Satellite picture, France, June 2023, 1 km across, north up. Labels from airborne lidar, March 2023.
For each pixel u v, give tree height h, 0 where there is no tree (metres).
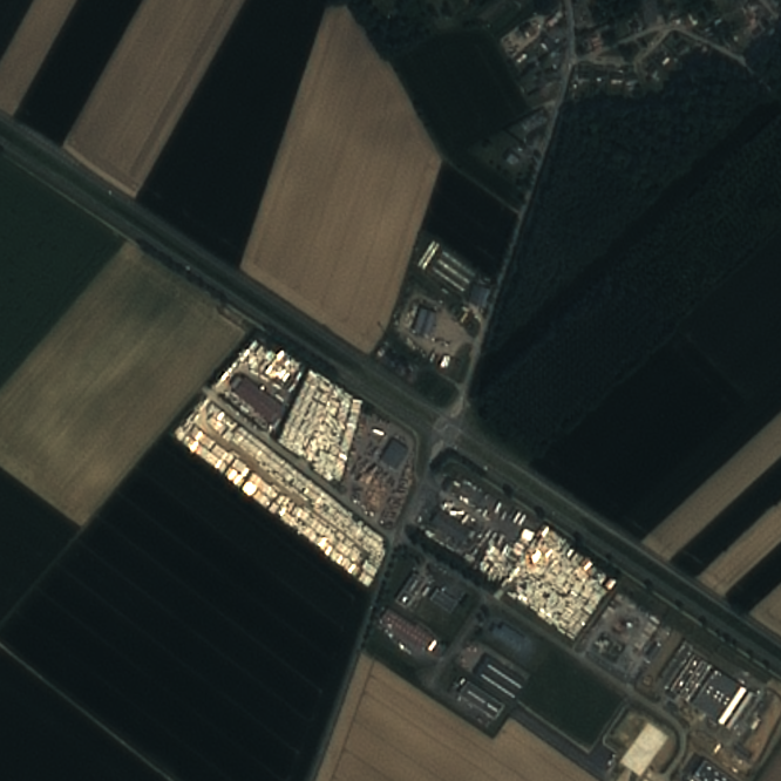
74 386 0
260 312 0
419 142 0
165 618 0
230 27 0
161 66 0
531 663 0
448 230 0
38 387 0
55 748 0
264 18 0
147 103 0
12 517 0
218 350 0
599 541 0
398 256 0
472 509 0
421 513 0
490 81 0
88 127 0
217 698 0
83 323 0
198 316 0
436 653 0
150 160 0
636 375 0
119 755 0
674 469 0
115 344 0
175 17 0
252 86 0
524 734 0
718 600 0
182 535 0
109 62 0
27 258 0
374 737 0
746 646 0
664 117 26
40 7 0
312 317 0
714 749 0
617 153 25
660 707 0
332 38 0
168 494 0
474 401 0
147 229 0
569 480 0
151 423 0
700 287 6
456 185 0
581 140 20
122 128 0
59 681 0
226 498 0
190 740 0
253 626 0
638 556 0
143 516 0
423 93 0
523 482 0
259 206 0
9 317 0
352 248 0
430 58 0
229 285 0
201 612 0
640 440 0
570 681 0
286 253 0
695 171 0
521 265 15
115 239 0
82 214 0
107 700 0
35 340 0
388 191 0
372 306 0
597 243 21
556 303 0
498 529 0
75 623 0
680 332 0
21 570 0
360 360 0
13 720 0
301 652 0
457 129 0
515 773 0
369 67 0
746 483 0
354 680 0
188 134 0
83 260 0
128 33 0
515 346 0
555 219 23
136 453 0
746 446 0
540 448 14
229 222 0
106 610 0
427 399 0
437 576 0
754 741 0
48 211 0
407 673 0
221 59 0
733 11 0
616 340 22
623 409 0
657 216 0
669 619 0
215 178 0
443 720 0
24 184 0
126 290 0
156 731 0
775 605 0
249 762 0
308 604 0
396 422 0
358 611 0
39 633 0
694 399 0
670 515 0
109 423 0
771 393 0
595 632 0
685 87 27
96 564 0
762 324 0
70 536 0
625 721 0
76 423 0
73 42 0
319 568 0
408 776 0
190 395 0
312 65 0
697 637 0
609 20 10
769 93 20
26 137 0
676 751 0
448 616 0
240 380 0
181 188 0
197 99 0
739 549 0
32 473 0
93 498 0
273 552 0
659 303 20
